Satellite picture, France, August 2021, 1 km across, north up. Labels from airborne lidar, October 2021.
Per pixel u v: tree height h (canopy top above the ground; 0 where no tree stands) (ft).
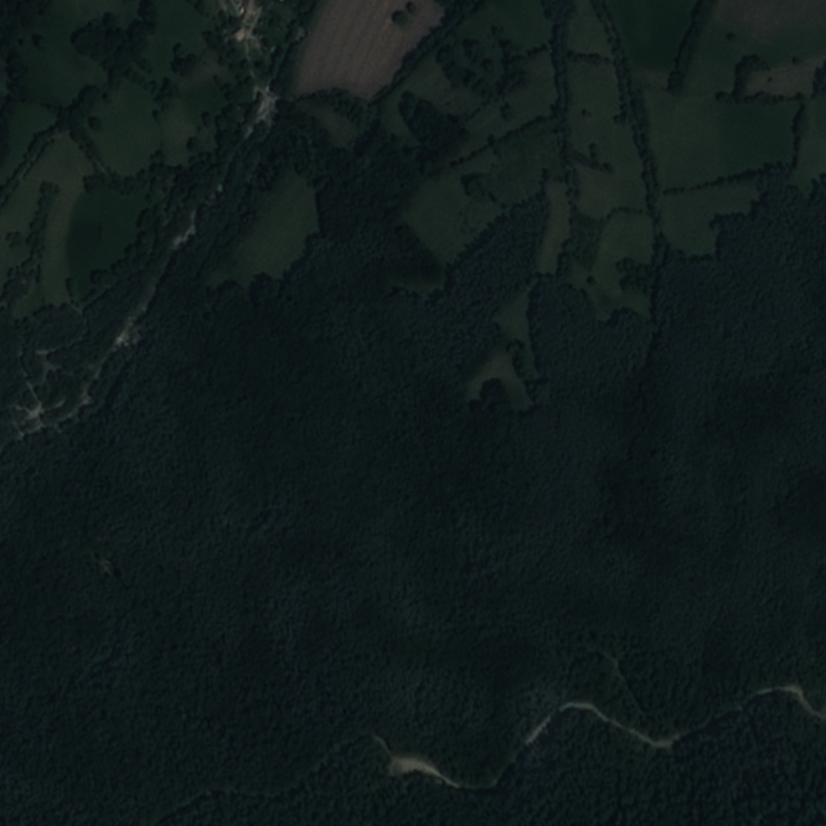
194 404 80
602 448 67
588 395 56
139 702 69
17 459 37
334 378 73
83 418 40
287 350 76
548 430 54
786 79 0
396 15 39
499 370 0
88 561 84
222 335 62
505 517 67
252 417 73
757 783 44
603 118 0
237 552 63
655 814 71
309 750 57
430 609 51
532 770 37
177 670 87
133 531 58
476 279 61
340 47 0
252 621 76
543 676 44
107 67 44
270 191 46
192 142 41
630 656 77
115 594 78
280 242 0
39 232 39
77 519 61
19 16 83
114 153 0
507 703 48
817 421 67
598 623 65
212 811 58
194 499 54
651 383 87
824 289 71
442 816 44
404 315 67
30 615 94
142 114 0
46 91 0
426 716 22
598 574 70
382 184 117
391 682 37
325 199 53
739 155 0
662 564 79
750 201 0
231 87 43
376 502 68
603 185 0
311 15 32
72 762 64
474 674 70
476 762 71
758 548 70
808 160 0
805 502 74
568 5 58
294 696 61
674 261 65
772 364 44
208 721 53
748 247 84
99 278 54
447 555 81
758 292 45
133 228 0
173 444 49
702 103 0
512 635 65
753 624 64
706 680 79
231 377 80
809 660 45
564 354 46
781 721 66
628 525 64
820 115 0
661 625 65
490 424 71
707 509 61
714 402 57
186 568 66
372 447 70
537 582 75
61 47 0
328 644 65
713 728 29
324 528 55
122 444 58
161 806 57
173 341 56
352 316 40
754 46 0
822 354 56
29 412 24
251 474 63
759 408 84
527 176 0
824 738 29
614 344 66
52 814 53
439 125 86
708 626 59
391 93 21
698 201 0
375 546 46
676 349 57
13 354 54
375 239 58
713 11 36
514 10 0
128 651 52
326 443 67
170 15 0
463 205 0
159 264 27
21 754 68
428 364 60
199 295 76
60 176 0
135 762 65
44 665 64
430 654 52
